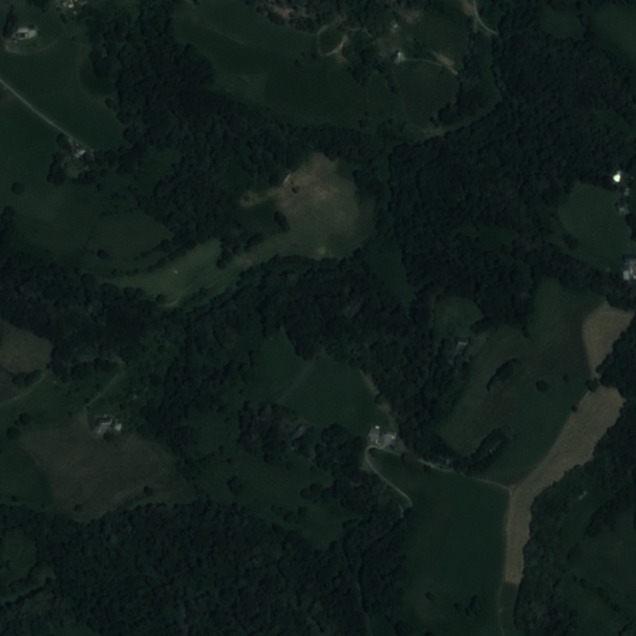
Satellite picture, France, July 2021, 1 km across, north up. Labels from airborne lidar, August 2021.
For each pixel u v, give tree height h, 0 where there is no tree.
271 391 0
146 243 0
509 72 18
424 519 0
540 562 19
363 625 23
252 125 24
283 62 0
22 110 0
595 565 0
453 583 0
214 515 23
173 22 18
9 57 0
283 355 0
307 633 16
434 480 0
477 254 24
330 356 9
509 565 0
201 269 0
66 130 0
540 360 0
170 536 24
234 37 0
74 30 0
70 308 28
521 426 0
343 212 0
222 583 15
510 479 0
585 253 0
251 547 27
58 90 0
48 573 0
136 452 0
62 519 12
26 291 27
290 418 13
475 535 0
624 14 0
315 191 0
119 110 16
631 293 21
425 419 13
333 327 32
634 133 0
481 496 0
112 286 13
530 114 17
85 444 0
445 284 26
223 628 22
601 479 6
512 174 33
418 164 23
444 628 0
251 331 18
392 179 11
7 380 0
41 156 0
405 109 0
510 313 23
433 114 0
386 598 21
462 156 30
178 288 0
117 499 0
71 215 0
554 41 24
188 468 17
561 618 14
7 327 0
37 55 0
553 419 0
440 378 10
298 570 31
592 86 19
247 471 0
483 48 23
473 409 0
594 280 21
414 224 17
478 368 0
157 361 6
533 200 26
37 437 0
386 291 7
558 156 20
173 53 27
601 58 25
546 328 0
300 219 0
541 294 0
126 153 18
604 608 0
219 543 26
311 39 0
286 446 17
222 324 18
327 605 21
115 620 26
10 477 0
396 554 19
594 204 0
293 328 17
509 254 10
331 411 0
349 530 7
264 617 27
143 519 20
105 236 0
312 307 23
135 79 32
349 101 0
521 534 0
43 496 0
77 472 0
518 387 0
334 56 0
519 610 18
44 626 23
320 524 0
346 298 20
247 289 18
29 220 0
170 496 0
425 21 0
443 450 17
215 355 10
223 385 18
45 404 0
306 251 0
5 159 0
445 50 0
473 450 0
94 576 15
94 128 0
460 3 0
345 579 20
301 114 0
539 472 0
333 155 27
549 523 18
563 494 18
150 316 23
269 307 29
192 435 18
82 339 25
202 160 18
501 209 18
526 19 14
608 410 0
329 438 19
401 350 22
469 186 22
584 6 18
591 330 0
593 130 18
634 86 26
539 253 25
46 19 0
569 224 0
